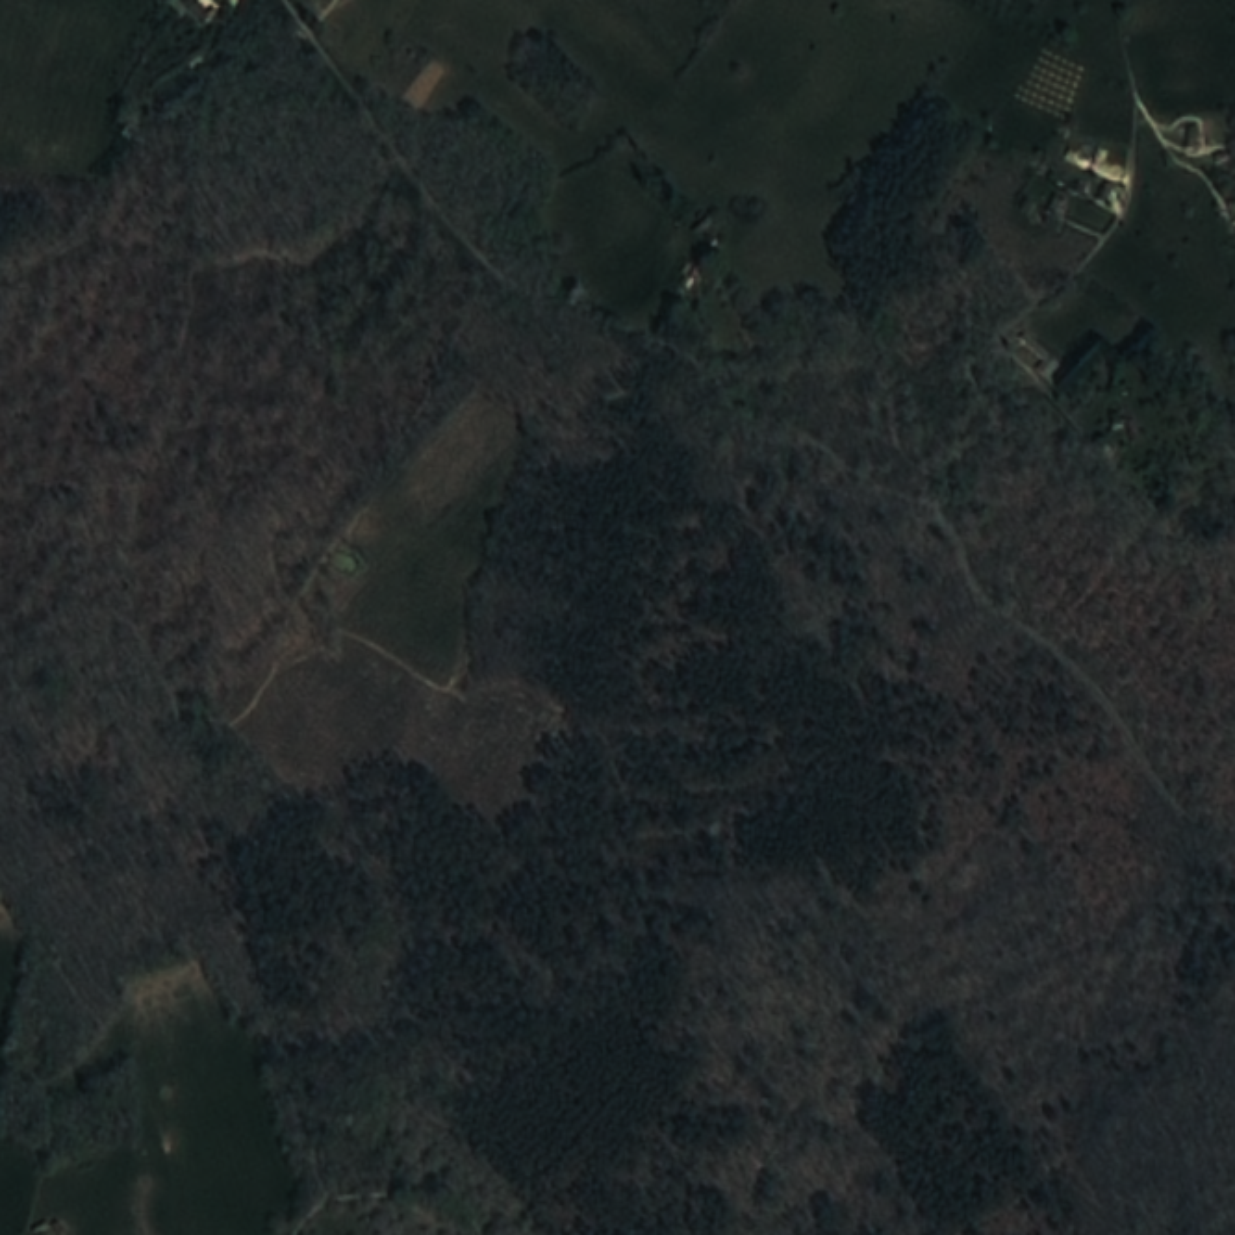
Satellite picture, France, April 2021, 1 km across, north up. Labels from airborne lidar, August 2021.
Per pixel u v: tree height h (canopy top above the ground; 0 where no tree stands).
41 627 20
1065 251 0
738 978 14
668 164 0
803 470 19
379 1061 31
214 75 18
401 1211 13
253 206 18
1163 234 0
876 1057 17
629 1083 21
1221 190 9
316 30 22
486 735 0
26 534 15
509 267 23
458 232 17
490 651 15
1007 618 19
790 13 0
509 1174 21
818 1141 16
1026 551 7
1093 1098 9
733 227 0
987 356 21
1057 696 11
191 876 13
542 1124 24
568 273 0
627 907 25
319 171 20
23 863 16
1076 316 0
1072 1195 8
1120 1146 18
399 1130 15
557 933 24
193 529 17
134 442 15
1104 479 19
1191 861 18
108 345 20
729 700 19
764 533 16
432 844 29
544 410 14
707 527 17
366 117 19
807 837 18
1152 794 18
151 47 9
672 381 17
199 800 15
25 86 0
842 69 0
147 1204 0
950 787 9
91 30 0
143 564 19
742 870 19
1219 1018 12
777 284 0
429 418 16
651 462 18
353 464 18
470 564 0
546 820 14
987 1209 20
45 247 19
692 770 28
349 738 0
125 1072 19
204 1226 0
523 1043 28
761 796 7
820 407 14
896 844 19
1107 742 10
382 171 17
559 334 21
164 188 19
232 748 20
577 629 16
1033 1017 11
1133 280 0
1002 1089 10
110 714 24
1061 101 0
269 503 17
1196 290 0
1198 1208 17
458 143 23
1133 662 7
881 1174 15
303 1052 13
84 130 0
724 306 6
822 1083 18
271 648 17
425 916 31
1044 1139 10
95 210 21
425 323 20
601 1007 26
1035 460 17
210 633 18
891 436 22
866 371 23
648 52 0
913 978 6
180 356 17
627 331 14
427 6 0
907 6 0
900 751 14
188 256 20
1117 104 0
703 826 16
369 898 32
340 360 20
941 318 19
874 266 22
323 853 17
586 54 0
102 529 17
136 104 12
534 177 23
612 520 17
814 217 0
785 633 18
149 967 17
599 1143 21
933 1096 21
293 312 20
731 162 0
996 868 9
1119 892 8
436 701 0
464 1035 16
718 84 0
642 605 16
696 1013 20
